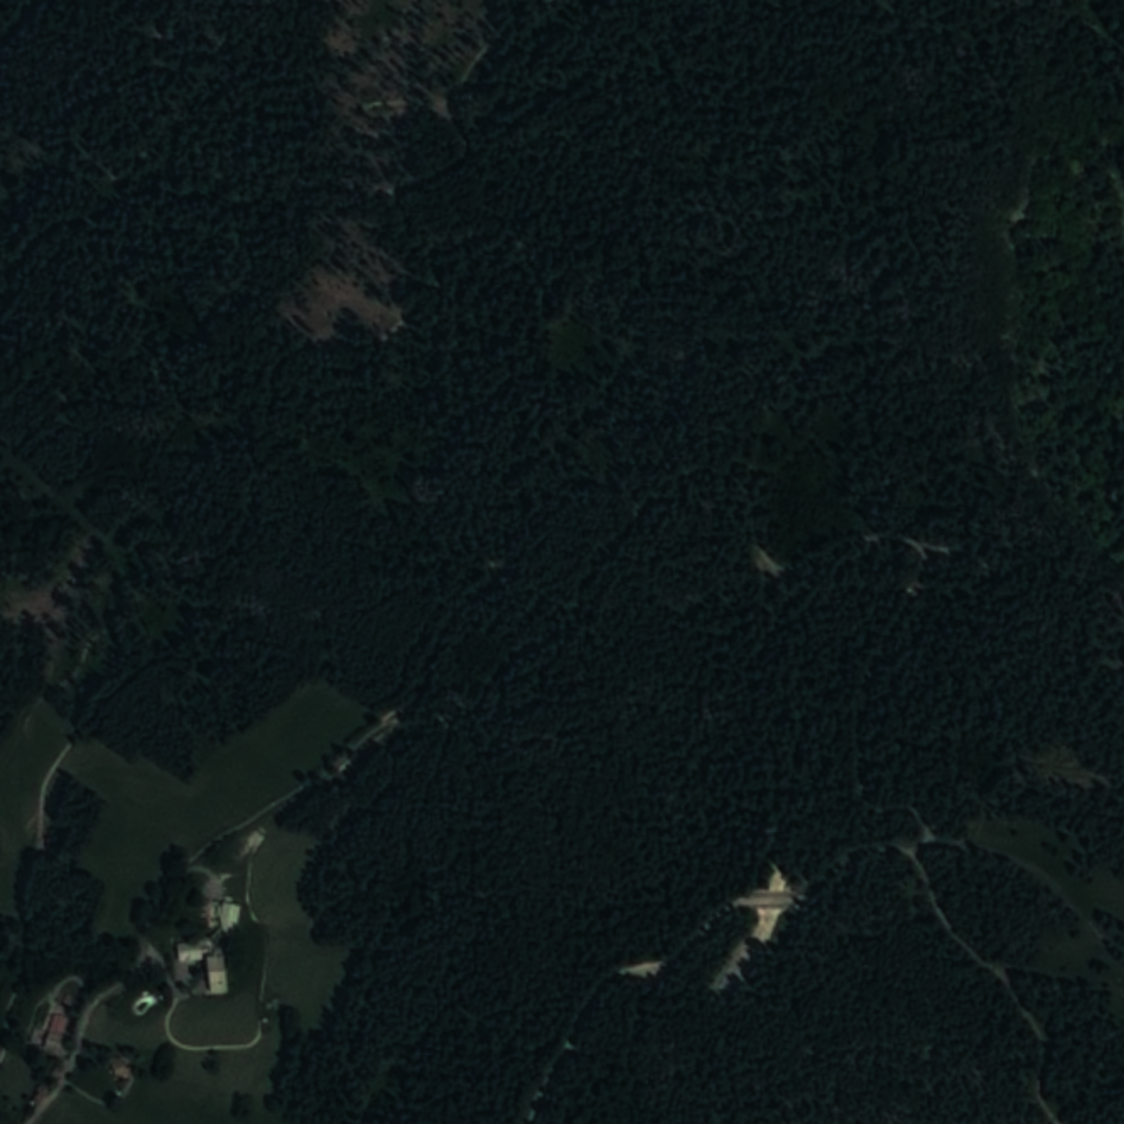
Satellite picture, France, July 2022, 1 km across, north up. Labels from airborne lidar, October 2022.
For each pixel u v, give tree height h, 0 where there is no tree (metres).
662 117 26
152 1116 0
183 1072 0
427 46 31
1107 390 31
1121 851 22
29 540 22
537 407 34
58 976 18
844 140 14
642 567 22
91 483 11
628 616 26
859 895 21
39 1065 20
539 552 26
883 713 26
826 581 27
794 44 31
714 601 16
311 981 0
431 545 12
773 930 0
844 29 34
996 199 14
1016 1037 26
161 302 7
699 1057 19
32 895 22
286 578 20
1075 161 32
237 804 0
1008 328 11
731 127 27
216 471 31
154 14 25
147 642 23
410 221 22
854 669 24
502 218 13
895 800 23
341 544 21
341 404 31
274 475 25
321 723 0
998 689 10
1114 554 22
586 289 25
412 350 9
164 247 29
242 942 20
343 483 28
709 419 25
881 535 28
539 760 23
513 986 28
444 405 9
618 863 17
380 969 32
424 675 17
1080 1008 27
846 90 26
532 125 29
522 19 35
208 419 9
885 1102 16
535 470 27
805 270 29
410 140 30
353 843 31
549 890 16
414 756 24
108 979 18
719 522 17
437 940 30
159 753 26
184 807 0
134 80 22
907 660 31
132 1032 0
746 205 21
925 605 13
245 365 27
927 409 15
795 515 9
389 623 23
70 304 22
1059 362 33
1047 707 30
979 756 7
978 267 14
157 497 23
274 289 28
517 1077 22
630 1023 24
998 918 21
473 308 32
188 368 20
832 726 22
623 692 20
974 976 18
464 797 23
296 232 18
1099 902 0
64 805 27
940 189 19
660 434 26
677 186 20
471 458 28
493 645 16
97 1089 0
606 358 27
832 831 20
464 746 27
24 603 0
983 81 27
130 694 24
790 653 34
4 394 27
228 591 28
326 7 26
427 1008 28
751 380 21
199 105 17
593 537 28
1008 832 0
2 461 22
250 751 0
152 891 16
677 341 29
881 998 18
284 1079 24
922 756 22
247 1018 0
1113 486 23
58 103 24
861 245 17
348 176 25
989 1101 18
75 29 30
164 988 15
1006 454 7
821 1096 19
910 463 34
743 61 16
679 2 28
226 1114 0
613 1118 14
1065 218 20
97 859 0
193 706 21
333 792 25
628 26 33
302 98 8
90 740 13
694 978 16
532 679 25
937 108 20
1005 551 15
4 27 22
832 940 17
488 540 24
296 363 27
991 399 19
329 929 26
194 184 25
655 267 29
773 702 21
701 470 12
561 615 34
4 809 0
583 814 19
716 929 13
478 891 29
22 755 0
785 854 17
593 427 18
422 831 28
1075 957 0
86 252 32
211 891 0
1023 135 11
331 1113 21
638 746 21
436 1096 25
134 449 30
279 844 0
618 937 25
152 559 31
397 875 22
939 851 20
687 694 18
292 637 27
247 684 23
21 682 26
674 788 20
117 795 0
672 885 17
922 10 33
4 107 33
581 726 19
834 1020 21
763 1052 20
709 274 13
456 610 14
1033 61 25
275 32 23
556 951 20
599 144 29
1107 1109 21
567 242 14
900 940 23
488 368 24
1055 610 23
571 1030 21
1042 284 33
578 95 24
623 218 21
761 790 12
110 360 26
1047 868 0
